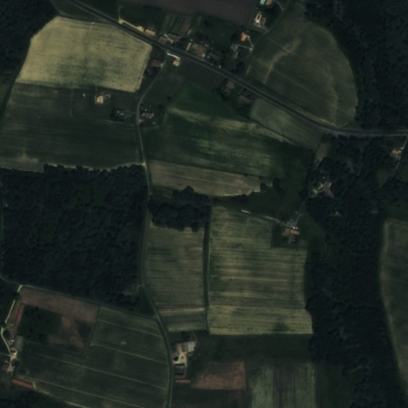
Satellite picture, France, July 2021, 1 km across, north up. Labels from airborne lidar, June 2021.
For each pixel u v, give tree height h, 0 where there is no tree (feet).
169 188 0
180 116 0
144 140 0
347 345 60
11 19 21
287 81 0
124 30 0
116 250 52
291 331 0
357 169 59
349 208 102
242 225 0
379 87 54
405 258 0
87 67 0
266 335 0
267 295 0
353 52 30
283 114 0
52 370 0
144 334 0
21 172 33
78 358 0
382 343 57
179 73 0
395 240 0
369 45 22
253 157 0
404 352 0
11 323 0
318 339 72
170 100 31
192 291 0
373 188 35
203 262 0
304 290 0
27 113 0
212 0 0
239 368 0
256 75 0
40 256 53
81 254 66
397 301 0
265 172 0
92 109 0
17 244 55
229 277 0
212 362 0
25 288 0
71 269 49
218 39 0
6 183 63
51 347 0
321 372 0
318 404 0
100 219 40
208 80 0
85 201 0
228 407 0
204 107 0
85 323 0
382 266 0
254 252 0
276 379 0
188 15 0
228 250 0
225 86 23
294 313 0
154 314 0
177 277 0
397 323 0
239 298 0
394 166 27
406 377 0
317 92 0
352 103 0
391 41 74
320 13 46
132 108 0
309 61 0
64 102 0
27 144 0
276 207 0
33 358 0
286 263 0
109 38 0
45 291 0
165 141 0
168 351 0
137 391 0
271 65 0
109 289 34
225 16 0
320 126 0
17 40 42
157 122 0
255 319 0
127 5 0
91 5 0
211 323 0
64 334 0
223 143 0
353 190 109
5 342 0
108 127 0
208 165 0
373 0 22
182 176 0
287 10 0
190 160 0
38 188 29
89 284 50
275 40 0
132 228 55
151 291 0
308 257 0
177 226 70
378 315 73
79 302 0
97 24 0
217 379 0
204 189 0
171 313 0
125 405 0
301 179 0
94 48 0
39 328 0
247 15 0
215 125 0
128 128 0
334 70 0
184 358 0
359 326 73
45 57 0
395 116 69
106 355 0
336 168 88
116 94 0
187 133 0
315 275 70
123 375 0
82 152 0
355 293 34
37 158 0
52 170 77
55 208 45
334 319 54
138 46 0
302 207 0
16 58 57
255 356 0
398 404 51
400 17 80
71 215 20
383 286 0
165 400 0
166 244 0
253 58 0
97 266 50
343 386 0
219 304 0
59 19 0
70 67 0
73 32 0
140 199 67
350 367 48
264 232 0
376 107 65
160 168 0
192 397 0
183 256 0
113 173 43
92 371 0
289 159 0
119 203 22
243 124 0
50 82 0
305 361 0
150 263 0
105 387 0
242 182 0
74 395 0
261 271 0
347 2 55
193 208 64
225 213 0
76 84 0
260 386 0
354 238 31
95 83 0
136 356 0
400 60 79
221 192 0
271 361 0
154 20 0
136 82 0
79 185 29
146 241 0
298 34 0
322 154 0
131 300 29
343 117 0
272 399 0
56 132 0
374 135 0
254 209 0
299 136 0
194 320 0
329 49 0
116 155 0
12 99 0
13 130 0
